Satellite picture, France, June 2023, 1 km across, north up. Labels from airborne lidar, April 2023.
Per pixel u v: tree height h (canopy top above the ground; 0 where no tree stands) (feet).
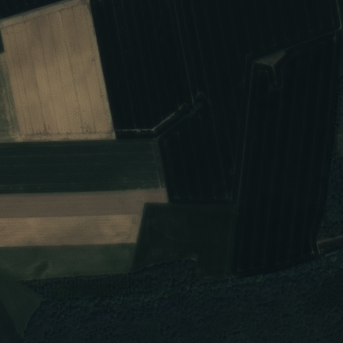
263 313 53
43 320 70
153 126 0
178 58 0
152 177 0
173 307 74
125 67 0
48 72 0
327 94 0
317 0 0
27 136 0
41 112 0
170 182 0
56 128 0
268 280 49
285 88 0
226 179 0
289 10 0
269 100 0
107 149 0
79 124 0
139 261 0
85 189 0
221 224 0
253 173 0
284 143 0
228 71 0
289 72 0
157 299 55
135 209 0
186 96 0
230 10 0
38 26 0
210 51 0
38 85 0
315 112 0
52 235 0
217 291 44
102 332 75
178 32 0
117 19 0
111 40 0
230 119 0
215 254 0
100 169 0
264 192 0
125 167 0
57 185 0
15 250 0
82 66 0
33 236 0
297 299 72
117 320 72
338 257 54
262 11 0
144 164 0
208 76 0
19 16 0
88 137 0
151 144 0
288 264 0
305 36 0
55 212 0
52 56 0
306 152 0
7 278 0
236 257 0
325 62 0
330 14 0
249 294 58
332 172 60
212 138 0
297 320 77
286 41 0
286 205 0
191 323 80
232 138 0
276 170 0
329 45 0
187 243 0
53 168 0
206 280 0
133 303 31
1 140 0
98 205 0
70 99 0
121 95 0
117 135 0
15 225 0
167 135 0
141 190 0
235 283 22
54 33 0
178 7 0
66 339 67
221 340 63
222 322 69
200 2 0
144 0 0
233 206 0
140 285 38
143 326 66
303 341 73
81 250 0
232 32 0
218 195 0
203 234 0
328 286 43
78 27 0
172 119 0
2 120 0
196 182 0
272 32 0
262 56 0
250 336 61
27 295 0
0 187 0
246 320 63
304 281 68
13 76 0
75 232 0
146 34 0
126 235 0
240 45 0
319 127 0
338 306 65
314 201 0
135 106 0
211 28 0
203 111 0
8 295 0
